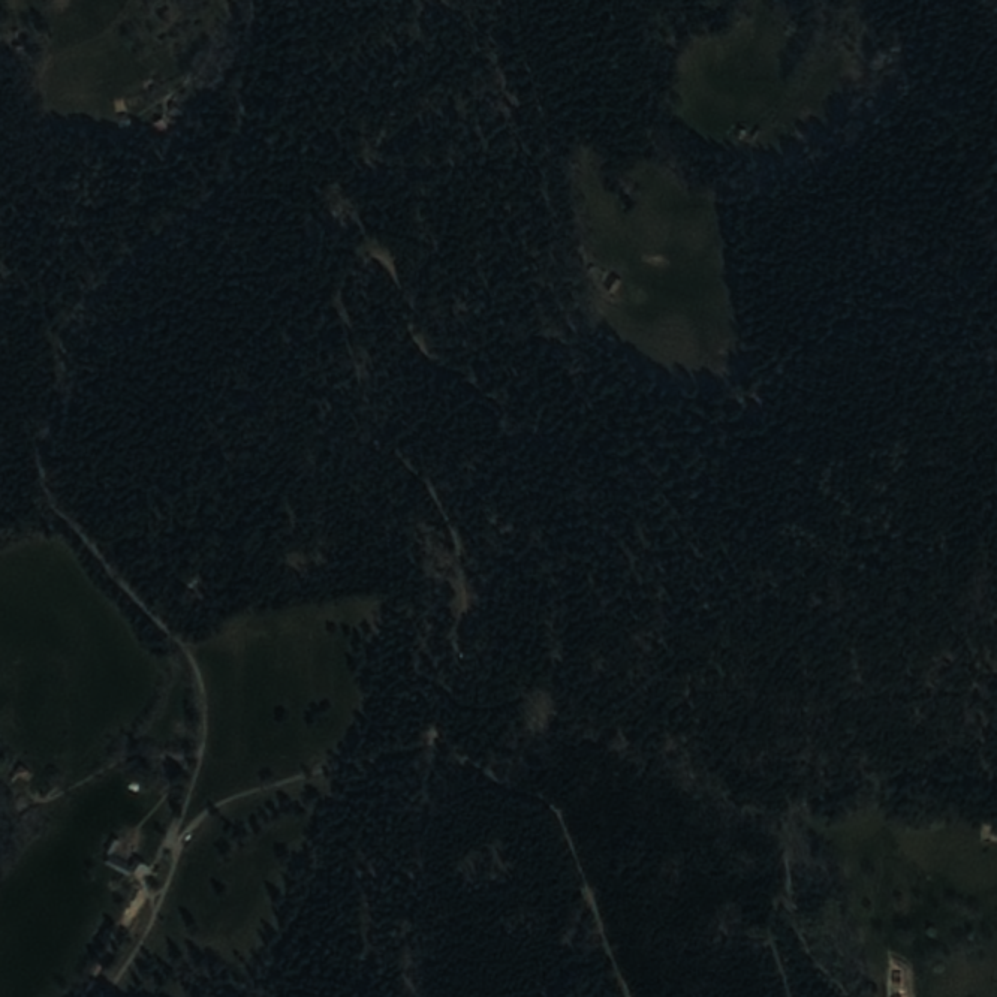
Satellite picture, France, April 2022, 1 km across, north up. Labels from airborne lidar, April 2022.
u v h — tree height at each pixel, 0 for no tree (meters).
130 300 27
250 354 29
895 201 33
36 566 0
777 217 28
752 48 0
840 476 25
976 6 27
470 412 32
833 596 22
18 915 0
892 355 21
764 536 27
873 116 13
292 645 0
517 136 37
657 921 16
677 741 24
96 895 0
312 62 29
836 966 29
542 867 16
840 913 27
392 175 21
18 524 20
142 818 0
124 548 14
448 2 13
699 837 17
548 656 31
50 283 25
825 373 19
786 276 27
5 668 0
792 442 25
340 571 22
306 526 20
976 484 26
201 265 30
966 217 29
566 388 26
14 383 24
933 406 21
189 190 29
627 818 14
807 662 24
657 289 0
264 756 0
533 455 31
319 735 0
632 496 28
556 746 19
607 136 28
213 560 23
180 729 0
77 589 0
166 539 16
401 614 21
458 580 18
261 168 27
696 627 28
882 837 0
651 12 23
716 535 29
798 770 32
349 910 25
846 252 24
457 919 20
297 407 28
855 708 28
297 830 0
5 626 0
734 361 0
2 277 24
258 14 11
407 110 27
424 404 28
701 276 0
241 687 0
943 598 25
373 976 21
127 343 26
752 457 28
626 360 25
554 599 24
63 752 0
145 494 18
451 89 32
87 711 0
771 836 17
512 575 27
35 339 22
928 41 26
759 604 23
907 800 39
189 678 13
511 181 34
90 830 0
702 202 0
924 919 0
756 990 17
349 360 27
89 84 0
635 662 27
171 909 0
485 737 28
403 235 26
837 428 21
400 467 21
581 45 30
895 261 26
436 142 25
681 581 27
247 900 0
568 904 21
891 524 25
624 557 31
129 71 0
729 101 0
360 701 0
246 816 0
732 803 19
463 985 19
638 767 13
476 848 17
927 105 27
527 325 34
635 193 8
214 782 0
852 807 30
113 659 0
